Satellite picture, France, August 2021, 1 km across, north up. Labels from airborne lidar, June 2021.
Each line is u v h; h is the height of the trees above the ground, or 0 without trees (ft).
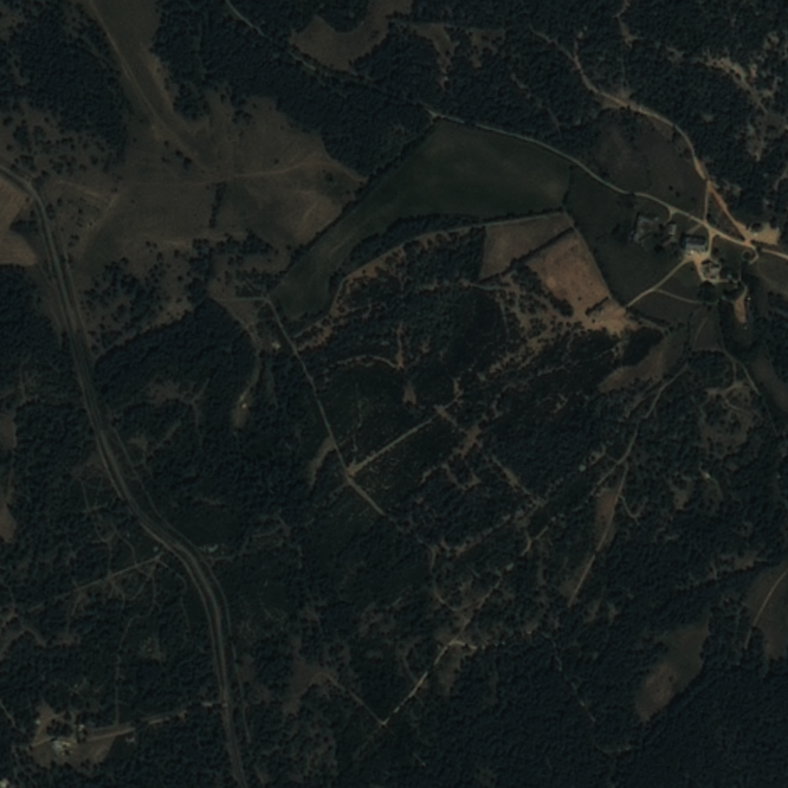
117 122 34
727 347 21
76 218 0
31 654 31
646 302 0
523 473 32
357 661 31
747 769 29
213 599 0
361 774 24
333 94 39
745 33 18
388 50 43
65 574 26
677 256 19
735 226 0
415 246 29
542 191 0
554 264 0
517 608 28
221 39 47
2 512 0
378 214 0
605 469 21
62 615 33
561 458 40
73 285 0
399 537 22
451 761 37
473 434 0
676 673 0
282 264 0
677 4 30
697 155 21
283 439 31
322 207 0
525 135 32
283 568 24
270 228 0
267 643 37
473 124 29
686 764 50
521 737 41
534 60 29
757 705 39
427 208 0
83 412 27
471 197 0
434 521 23
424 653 30
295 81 40
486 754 36
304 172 0
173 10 25
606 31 34
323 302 0
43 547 25
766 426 28
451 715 33
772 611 0
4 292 49
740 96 24
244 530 22
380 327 28
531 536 21
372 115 32
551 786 25
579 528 22
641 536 34
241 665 31
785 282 0
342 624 38
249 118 21
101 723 30
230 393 43
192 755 43
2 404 21
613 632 36
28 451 41
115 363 44
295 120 32
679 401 25
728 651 28
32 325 40
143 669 49
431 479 28
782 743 30
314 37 0
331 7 25
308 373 26
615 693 39
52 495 26
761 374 0
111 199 0
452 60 23
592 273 0
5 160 0
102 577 24
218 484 27
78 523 27
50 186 0
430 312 40
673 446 35
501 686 33
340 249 0
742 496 26
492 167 0
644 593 36
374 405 0
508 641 26
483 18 31
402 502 29
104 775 26
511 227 0
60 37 42
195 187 0
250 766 25
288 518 34
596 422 36
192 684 32
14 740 30
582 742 45
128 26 0
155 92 0
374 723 19
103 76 38
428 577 20
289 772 26
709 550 32
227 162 0
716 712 48
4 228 0
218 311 38
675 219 0
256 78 46
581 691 34
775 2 26
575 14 41
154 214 0
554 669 42
